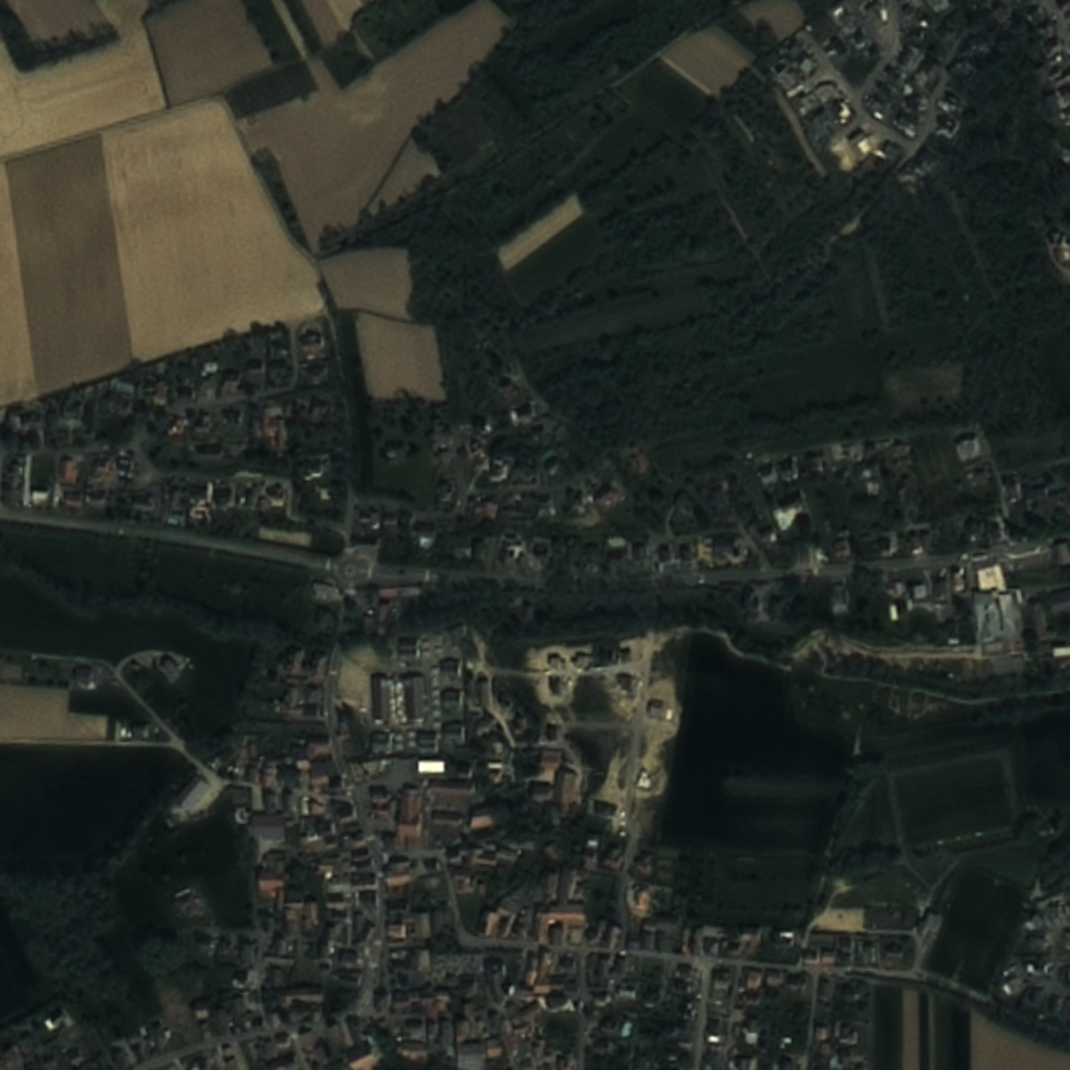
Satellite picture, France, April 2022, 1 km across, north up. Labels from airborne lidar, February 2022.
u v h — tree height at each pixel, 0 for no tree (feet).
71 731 0
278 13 0
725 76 0
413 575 0
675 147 24
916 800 0
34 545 0
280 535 0
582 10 41
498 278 45
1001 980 54
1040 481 0
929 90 0
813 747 0
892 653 0
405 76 0
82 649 0
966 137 0
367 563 0
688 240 41
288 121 0
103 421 0
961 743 0
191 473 32
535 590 20
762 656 39
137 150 0
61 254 0
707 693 0
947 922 0
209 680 0
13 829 0
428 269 39
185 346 0
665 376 55
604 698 0
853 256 37
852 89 0
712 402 33
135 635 0
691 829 0
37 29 0
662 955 0
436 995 0
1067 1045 60
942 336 0
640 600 68
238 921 0
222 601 0
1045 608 40
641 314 0
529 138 44
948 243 52
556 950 0
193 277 0
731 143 29
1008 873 0
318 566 0
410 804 0
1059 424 64
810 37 0
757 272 34
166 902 0
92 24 0
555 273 0
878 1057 0
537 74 22
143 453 0
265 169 39
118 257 0
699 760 0
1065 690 0
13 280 0
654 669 0
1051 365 0
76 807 0
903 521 57
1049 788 0
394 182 0
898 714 0
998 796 0
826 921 0
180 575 0
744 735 0
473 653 73
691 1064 35
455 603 56
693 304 0
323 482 0
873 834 0
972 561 0
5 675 0
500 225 0
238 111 0
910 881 0
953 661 0
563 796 0
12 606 0
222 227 0
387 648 80
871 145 0
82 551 0
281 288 0
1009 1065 0
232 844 0
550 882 0
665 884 0
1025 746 0
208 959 0
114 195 0
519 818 19
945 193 70
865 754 0
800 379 0
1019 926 53
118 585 0
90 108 0
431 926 0
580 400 70
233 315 0
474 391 44
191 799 0
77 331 0
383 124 0
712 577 0
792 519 0
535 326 37
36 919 64
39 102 0
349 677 0
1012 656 0
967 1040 0
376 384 0
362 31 0
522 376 0
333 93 0
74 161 0
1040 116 21
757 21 0
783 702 0
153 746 0
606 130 29
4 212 0
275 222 0
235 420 0
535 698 0
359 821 0
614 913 26
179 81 0
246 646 0
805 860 0
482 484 0
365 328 0
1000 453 42
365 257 0
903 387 0
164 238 0
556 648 0
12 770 0
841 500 0
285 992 34
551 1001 0
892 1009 0
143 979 0
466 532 37
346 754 0
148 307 0
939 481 0
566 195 20
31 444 28
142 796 0
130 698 0
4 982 0
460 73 0
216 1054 0
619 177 31
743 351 21
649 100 0
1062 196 81
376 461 0
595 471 67
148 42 0
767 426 52
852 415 29
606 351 44
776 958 0
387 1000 0
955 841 0
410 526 40
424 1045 0
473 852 0
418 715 0
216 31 0
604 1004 0
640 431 65
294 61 0
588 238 0
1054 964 0
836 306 0
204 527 19
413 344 0
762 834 0
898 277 20
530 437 20
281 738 0
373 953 0
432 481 0
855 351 0
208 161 0
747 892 0
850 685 0
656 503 48
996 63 59
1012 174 35
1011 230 48
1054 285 32
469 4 0
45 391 0
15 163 0
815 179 31
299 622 0
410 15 0
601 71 31
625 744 0
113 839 0
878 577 33
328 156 0
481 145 0
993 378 63
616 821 0
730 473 39
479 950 0
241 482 0
